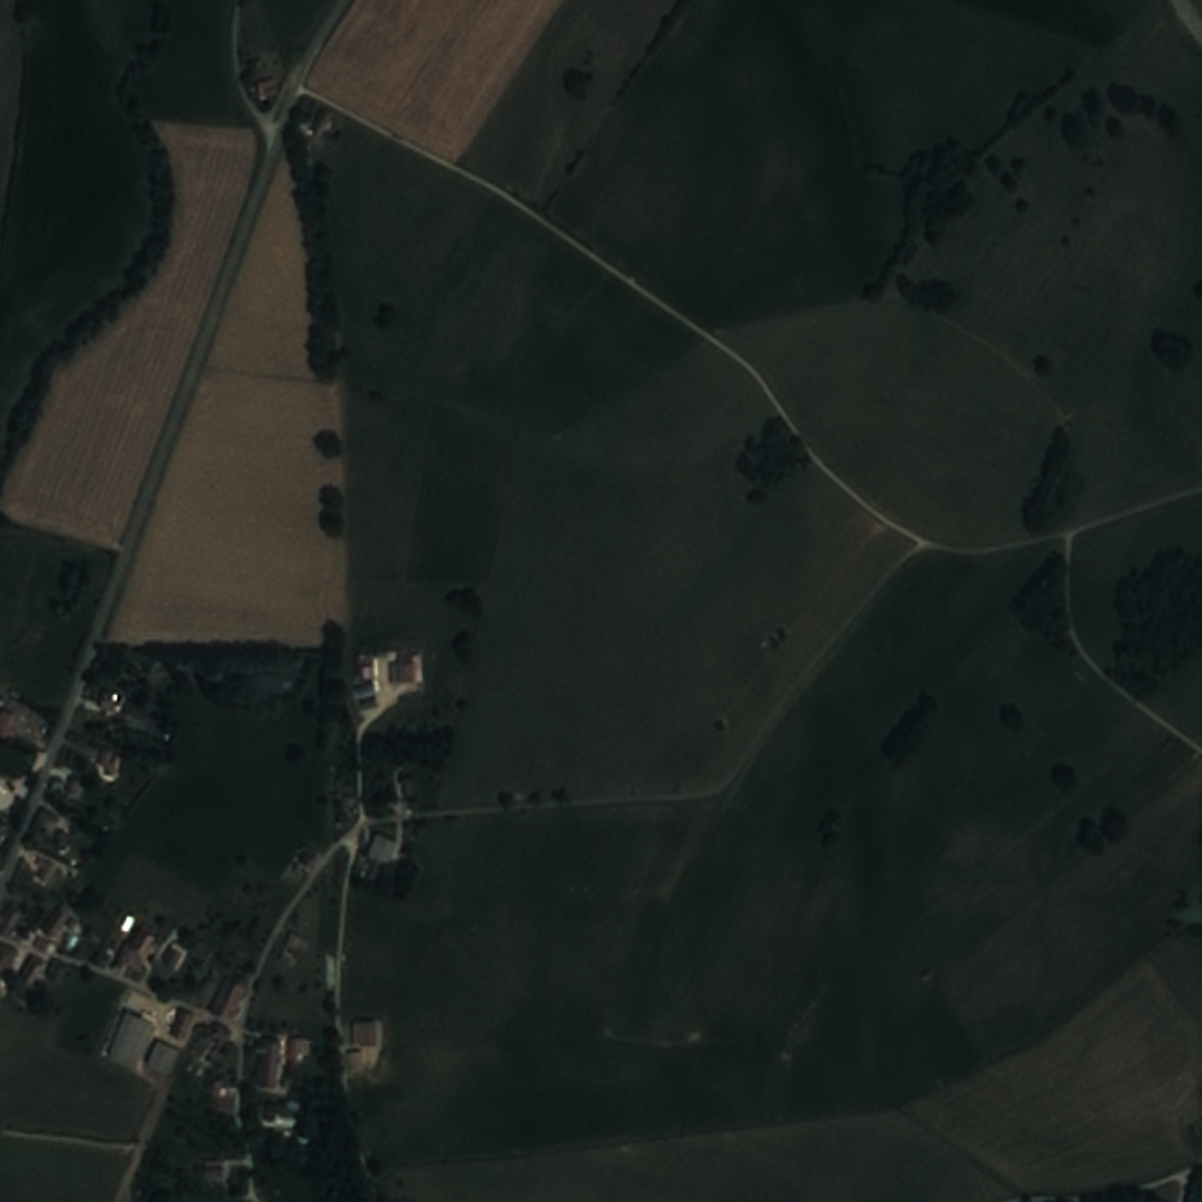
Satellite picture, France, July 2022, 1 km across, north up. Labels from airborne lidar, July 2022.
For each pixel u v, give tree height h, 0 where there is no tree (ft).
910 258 30
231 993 0
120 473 0
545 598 0
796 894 0
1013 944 0
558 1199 0
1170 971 0
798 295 0
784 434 49
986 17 0
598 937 0
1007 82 0
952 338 0
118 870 0
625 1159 0
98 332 37
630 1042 0
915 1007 0
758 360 0
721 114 0
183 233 0
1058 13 0
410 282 0
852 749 0
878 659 0
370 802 31
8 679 0
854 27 0
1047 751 0
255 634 0
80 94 0
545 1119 0
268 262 0
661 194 0
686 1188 0
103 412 0
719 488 0
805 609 0
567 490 0
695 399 0
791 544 0
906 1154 0
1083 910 0
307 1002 0
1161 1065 0
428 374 0
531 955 0
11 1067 0
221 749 0
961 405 0
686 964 0
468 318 0
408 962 0
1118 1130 0
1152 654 64
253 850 0
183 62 0
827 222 0
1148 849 0
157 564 0
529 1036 0
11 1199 0
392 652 0
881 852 0
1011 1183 0
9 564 0
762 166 0
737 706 0
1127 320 0
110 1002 0
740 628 0
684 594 0
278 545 0
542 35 0
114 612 0
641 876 0
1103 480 0
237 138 0
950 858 0
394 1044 0
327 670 43
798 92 0
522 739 0
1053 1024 0
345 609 0
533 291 0
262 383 0
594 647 0
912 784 0
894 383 0
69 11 0
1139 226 0
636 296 0
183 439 0
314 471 0
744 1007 0
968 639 0
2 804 0
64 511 0
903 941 0
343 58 0
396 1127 0
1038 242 0
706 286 0
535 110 0
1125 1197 54
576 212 0
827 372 0
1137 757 0
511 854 0
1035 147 0
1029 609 51
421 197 0
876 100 0
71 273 0
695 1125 0
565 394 0
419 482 0
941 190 44
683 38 0
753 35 0
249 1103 42
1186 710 0
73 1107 0
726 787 0
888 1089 0
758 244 0
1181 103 0
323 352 57
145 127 58
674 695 0
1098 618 0
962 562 0
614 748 0
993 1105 0
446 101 0
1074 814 0
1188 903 31
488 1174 0
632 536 0
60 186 0
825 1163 0
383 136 0
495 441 0
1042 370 40
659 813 0
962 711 0
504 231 0
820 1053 0
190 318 0
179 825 0
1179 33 0
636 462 0
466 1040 0
